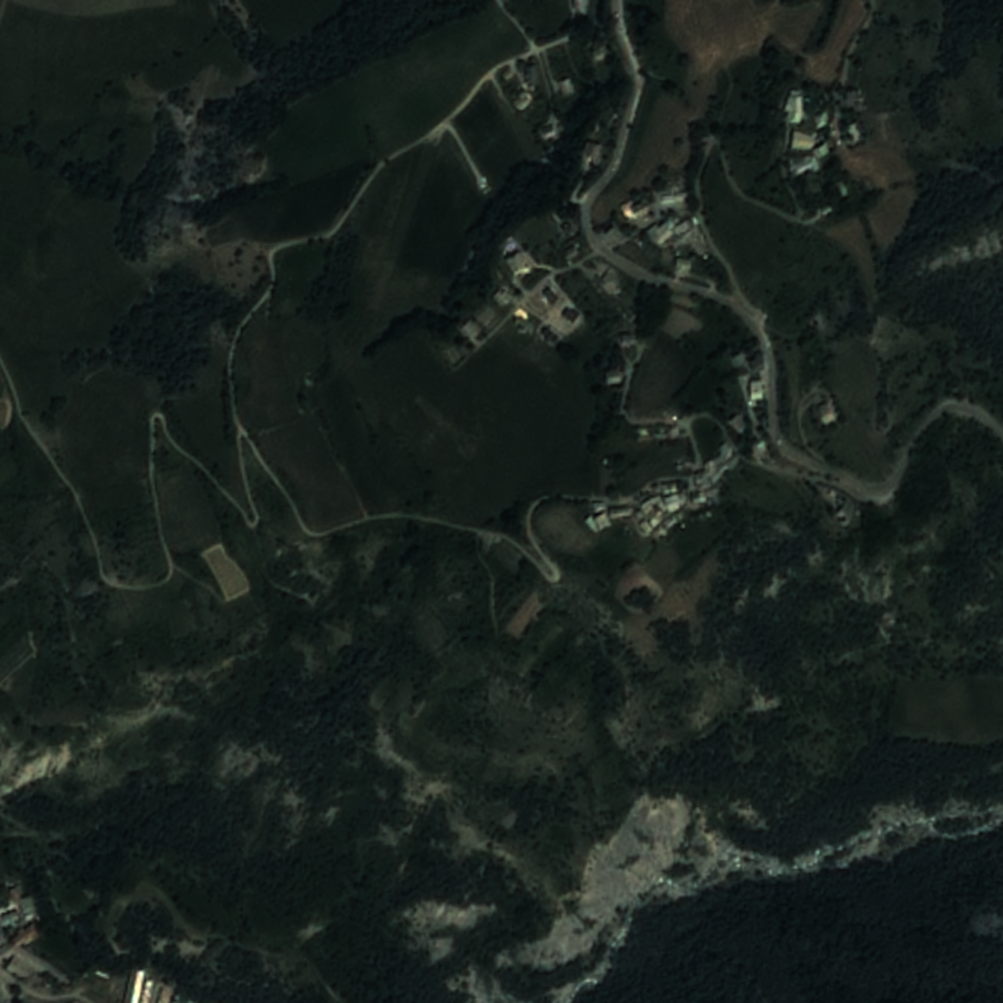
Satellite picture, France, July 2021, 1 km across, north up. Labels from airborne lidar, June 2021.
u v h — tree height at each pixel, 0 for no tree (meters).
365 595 6
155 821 8
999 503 12
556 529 0
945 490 10
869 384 0
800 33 0
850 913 15
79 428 0
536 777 5
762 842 10
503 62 0
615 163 0
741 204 0
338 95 0
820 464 0
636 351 0
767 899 11
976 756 8
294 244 0
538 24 0
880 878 14
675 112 0
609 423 9
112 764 0
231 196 20
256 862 7
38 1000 0
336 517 0
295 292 0
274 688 9
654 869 0
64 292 0
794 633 6
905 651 9
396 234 0
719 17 0
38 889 15
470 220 0
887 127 0
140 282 0
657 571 0
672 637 6
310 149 0
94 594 6
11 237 0
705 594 0
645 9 11
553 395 0
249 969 8
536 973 11
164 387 7
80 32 0
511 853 0
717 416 9
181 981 12
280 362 0
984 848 13
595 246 0
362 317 0
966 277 10
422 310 11
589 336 0
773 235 0
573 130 10
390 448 0
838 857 7
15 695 0
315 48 12
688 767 9
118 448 0
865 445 0
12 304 0
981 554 8
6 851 7
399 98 0
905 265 5
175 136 6
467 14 7
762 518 6
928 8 0
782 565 6
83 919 6
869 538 7
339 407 0
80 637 0
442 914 0
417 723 0
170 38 0
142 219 12
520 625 0
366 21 14
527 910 9
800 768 6
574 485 0
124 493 0
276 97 7
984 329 8
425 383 0
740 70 0
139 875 0
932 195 7
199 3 0
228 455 0
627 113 0
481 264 7
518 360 0
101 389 0
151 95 0
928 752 7
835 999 18
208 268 0
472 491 0
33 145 13
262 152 6
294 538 0
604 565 0
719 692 0
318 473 0
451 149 0
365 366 0
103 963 12
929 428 8
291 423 0
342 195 0
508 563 0
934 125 6
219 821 6
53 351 0
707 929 13
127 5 0
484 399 0
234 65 0
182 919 0
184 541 0
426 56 0
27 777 0
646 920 7
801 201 6
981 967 12
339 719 7
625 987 10
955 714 0
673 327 0
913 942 20
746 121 5
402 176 0
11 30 0
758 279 0
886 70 0
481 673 0
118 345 8
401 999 9
